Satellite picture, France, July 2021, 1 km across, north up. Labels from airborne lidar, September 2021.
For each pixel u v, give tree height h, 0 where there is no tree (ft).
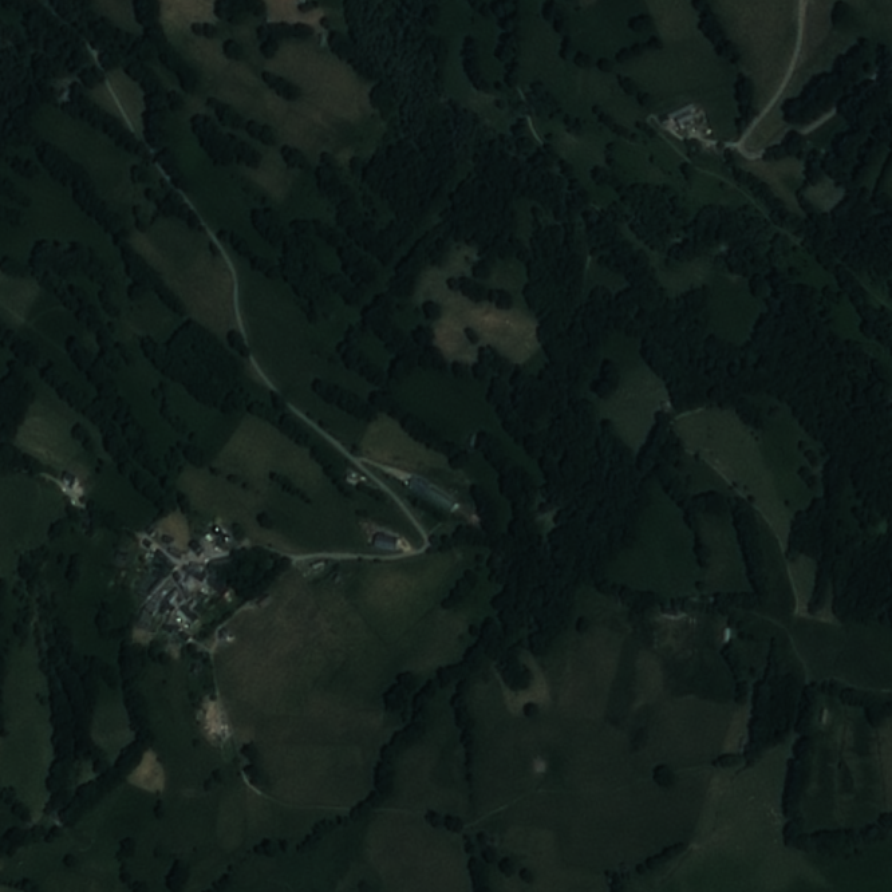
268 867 0
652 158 28
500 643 71
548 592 87
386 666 0
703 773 0
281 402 72
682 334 73
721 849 0
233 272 0
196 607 19
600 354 61
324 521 0
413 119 84
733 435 0
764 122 0
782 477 0
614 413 0
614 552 69
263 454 0
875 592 55
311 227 73
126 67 47
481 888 62
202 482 0
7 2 71
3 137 84
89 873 0
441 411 0
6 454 65
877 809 0
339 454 0
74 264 69
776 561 0
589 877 0
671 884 0
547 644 46
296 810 0
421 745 0
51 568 0
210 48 0
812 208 55
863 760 0
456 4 0
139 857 0
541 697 0
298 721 0
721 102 0
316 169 31
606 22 0
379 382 71
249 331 0
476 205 75
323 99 0
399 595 0
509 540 64
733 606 66
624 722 0
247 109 0
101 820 0
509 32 78
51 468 31
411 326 0
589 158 0
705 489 0
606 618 0
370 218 38
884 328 60
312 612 0
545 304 73
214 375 64
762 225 48
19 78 61
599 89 0
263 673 0
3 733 62
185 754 0
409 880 0
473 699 0
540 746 0
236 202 0
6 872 0
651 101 52
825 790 0
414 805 0
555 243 57
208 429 0
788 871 0
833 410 81
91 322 69
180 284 0
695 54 0
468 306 0
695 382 77
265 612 0
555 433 46
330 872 0
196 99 0
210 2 0
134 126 0
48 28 40
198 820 0
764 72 0
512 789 0
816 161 65
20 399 50
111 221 95
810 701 64
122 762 59
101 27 86
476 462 0
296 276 61
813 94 80
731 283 0
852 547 47
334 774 0
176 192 45
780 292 83
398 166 56
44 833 66
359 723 0
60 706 78
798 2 0
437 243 38
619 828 0
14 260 52
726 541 0
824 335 63
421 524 0
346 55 60
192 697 24
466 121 68
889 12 0
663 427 51
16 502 0
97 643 0
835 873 0
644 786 0
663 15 0
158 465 73
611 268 26
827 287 34
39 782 0
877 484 75
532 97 43
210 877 0
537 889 0
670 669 0
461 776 0
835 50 0
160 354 80
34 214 0
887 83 55
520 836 0
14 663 0
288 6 0
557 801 0
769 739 55
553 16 68
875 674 0
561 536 93
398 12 52
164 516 34
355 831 0
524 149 65
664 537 0
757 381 65
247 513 0
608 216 84
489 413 0
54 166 67
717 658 0
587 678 0
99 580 0
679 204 33
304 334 0
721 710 0
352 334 61
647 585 0
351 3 48
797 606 0
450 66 0
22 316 0
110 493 0
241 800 0
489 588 0
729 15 0
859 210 58
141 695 62
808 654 0
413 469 0
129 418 75
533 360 0
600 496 87
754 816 0
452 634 0
